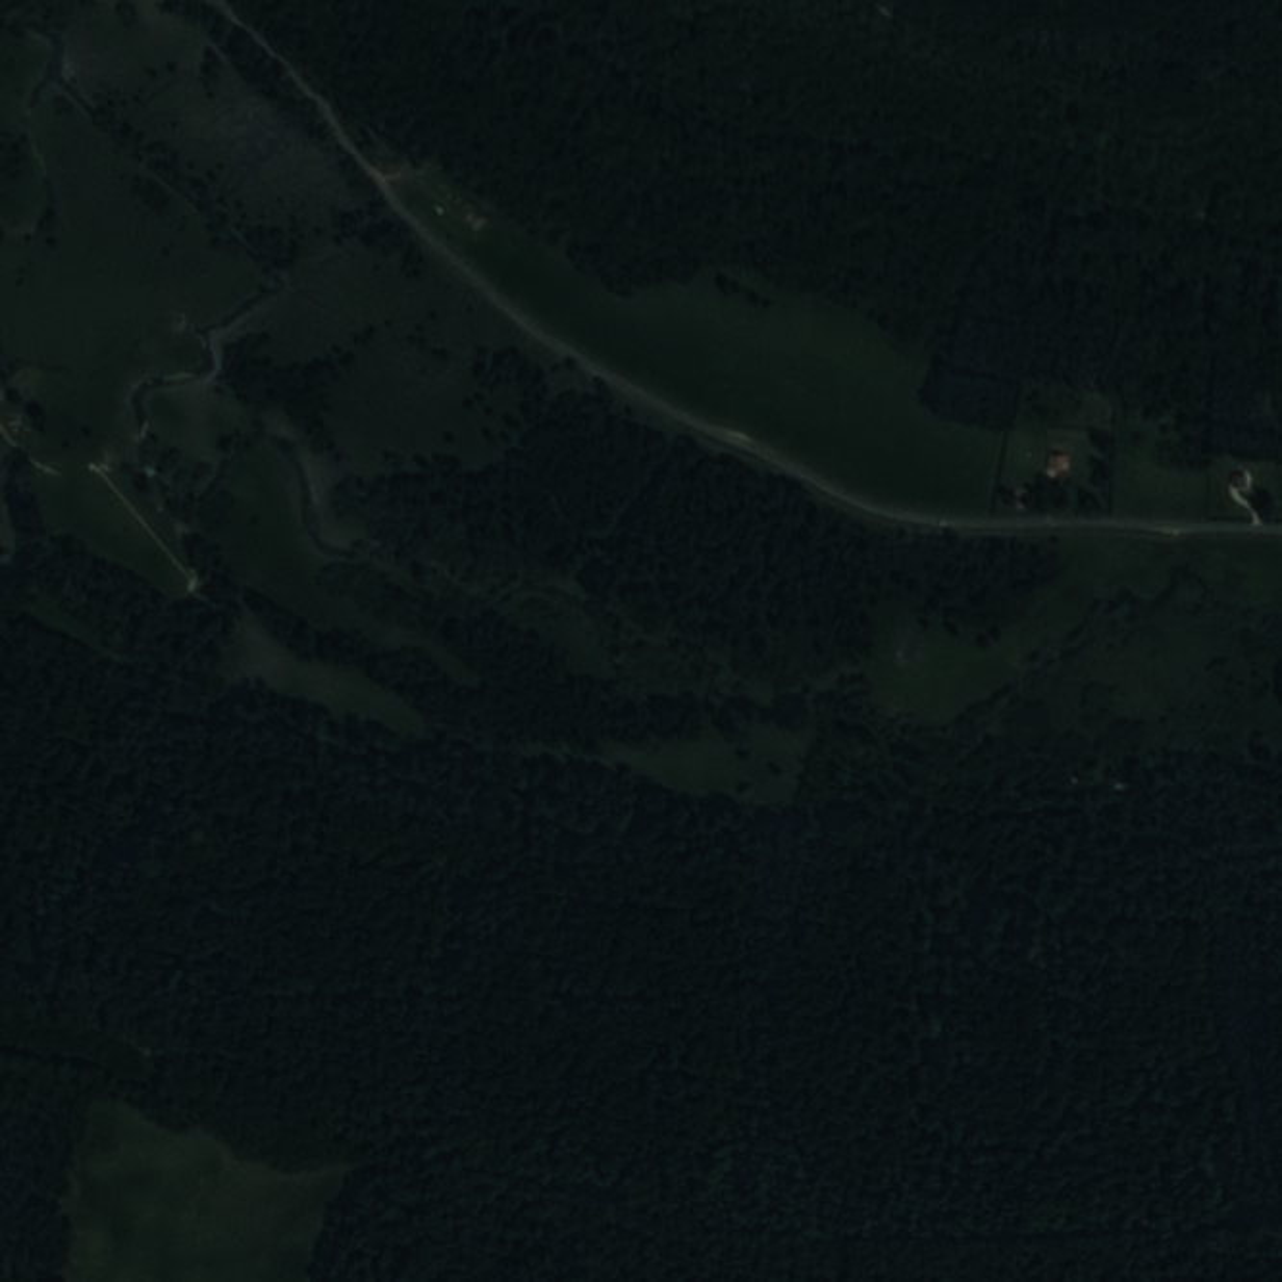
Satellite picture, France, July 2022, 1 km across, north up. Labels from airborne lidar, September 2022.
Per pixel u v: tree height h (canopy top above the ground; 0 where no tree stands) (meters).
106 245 0
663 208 23
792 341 0
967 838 18
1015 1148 32
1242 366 26
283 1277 0
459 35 27
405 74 24
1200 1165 15
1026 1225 30
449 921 23
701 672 11
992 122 25
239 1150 12
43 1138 14
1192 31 13
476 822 39
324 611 0
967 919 7
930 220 27
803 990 37
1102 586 0
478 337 0
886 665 0
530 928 50
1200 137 17
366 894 36
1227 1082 18
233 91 0
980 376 24
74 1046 11
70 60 0
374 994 30
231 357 9
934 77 21
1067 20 16
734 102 26
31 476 23
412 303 0
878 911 37
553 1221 18
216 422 0
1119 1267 16
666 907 35
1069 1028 33
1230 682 7
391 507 8
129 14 6
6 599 24
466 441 0
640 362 0
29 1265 18
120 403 0
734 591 25
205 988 34
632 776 9
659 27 26
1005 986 33
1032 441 0
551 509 22
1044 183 17
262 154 0
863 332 0
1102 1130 34
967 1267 15
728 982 24
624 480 22
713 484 20
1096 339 21
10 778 31
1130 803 9
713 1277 21
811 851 31
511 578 7
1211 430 25
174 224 0
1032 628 0
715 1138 22
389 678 18
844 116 24
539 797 30
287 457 12
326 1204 0
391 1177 27
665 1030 29
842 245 26
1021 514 0
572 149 22
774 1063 34
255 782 39
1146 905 37
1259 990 19
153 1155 0
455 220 0
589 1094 36
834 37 20
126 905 41
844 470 0
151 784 9
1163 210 15
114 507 0
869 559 19
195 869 35
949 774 7
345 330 0
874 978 36
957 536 16
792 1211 21
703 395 0
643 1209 24
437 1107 34
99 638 10
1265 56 16
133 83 0
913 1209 27
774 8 19
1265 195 27
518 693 16
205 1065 22
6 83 0
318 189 0
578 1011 37
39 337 0
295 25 27
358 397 0
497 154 24
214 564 9
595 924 39
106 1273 0
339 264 0
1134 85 18
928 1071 32
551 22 25
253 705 33
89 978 38
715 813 22
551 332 0
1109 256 32
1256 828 19
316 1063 27
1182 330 30
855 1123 33
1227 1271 22
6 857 38
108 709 18
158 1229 0
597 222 22
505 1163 24
